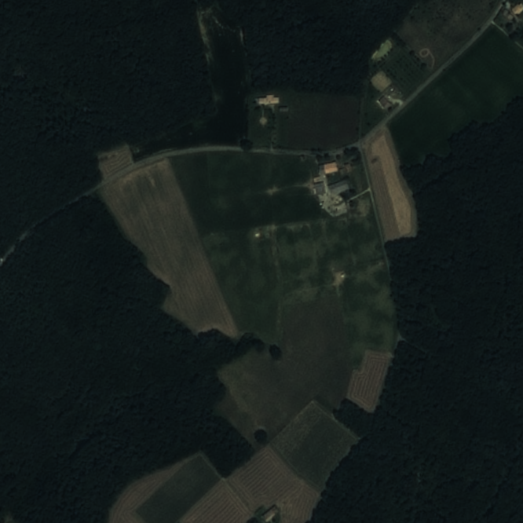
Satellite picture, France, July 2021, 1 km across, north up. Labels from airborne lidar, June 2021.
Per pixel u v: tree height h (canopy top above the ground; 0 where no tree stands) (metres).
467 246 25
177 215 0
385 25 19
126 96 22
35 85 8
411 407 18
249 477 0
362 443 17
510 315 28
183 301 0
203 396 23
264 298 0
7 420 16
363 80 16
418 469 21
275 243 0
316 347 0
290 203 0
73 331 23
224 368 0
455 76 0
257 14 27
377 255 0
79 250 15
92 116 20
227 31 0
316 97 0
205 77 14
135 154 0
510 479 19
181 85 22
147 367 25
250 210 0
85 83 17
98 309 29
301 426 0
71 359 14
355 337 0
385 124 0
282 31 23
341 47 22
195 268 0
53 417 22
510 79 0
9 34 19
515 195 18
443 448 28
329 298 0
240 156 0
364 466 24
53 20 24
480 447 26
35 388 15
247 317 0
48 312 17
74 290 20
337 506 19
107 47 24
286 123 0
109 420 20
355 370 0
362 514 23
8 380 19
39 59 17
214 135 0
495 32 0
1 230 13
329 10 6
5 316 16
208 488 0
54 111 23
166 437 16
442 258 24
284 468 0
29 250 14
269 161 0
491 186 22
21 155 19
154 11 18
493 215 27
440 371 23
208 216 0
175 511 0
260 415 0
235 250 0
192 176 0
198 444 12
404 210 0
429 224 19
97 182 16
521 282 27
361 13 18
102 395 23
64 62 18
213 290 0
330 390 0
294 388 0
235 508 0
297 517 0
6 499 29
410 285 16
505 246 24
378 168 0
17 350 17
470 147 22
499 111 0
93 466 20
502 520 23
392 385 14
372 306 0
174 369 23
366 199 0
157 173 0
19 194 15
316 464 0
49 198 16
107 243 19
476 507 23
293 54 22
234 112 0
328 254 0
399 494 21
